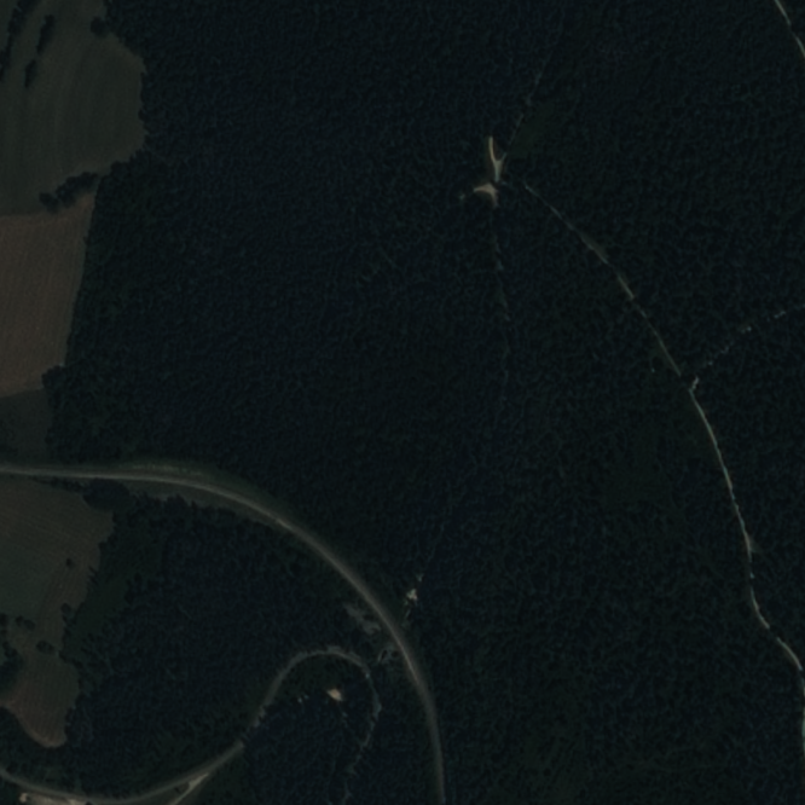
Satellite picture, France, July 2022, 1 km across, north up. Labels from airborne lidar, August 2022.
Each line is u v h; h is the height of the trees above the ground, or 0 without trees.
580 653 12
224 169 34
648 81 13
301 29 27
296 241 23
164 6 24
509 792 11
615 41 19
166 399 24
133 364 17
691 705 11
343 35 21
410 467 26
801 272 24
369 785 27
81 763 23
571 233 36
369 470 19
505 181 14
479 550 24
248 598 18
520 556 24
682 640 8
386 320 30
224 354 26
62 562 0
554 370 10
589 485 8
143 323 13
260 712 0
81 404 12
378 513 19
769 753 32
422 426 24
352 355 30
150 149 21
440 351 25
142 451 18
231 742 14
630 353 10
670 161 20
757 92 16
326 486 19
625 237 19
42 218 0
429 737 7
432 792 7
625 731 22
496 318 31
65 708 0
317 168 30
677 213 7
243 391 18
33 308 0
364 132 30
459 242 36
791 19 9
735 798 8
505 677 8
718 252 14
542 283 25
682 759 10
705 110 17
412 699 9
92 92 0
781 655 14
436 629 6
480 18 27
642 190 10
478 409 28
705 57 14
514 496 20
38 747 13
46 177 0
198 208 22
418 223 10
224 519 15
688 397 7
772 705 29
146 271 8
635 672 34
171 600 21
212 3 17
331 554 0
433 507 9
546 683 11
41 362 0
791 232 17
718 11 18
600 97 17
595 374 10
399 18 20
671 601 11
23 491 0
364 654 23
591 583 28
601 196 8
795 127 16
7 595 0
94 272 6
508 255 30
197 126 27
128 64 0
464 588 30
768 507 13
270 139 26
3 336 0
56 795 0
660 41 16
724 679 8
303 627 32
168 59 24
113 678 12
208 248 19
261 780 38
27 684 0
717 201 22
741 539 15
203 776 0
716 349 16
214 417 19
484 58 22
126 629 15
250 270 22
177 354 19
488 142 0
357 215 6
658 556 16
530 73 30
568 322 7
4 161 0
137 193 7
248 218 25
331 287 27
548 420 13
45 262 0
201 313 21
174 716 25
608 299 5
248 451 19
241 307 28
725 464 12
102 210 12
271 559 31
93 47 0
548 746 7
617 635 15
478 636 9
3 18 0
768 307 20
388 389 21
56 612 0
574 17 23
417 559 17
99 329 14
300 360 28
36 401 0
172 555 19
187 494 0
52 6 0
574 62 11
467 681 6
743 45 16
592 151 13
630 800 10
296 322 30
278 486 22
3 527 0
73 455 13
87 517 0
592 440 7
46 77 0
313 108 26
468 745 20
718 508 15
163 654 18
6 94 0
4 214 0
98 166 0
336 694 0
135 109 0
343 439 17
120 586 0
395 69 21
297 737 34
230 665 16
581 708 5
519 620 10
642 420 11
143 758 21
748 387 17
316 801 34
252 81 24
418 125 31
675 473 16
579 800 7
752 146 21
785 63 11
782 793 22
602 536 16
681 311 11
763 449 19
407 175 9
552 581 15
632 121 9
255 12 21
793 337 24
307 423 21
